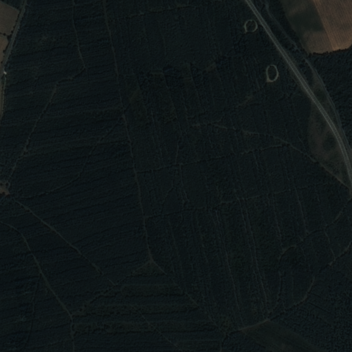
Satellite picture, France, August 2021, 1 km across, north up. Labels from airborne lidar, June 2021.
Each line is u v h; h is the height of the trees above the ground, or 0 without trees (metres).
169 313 8
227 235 13
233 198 11
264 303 9
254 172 12
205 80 13
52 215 8
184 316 9
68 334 12
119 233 12
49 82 12
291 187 12
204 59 8
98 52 11
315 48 0
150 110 8
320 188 12
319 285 11
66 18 6
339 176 0
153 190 9
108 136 9
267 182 14
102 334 7
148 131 8
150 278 9
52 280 12
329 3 0
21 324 11
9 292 15
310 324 11
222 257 10
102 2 7
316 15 0
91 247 14
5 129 6
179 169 11
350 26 0
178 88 12
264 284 12
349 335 16
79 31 8
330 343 10
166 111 8
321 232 7
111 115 8
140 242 7
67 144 7
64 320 7
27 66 12
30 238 10
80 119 8
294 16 0
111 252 8
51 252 14
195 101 6
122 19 10
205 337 10
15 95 11
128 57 12
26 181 9
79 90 6
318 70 13
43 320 8
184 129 11
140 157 6
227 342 14
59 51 11
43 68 7
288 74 15
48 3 15
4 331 7
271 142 10
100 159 10
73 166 13
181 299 10
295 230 12
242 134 11
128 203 14
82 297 13
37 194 6
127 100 10
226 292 11
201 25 6
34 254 13
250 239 10
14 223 8
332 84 14
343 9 0
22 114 11
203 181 8
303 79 0
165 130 6
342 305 16
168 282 13
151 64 6
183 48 7
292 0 0
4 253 10
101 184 15
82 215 9
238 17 12
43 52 10
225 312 6
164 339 9
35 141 10
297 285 8
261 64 8
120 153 13
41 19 12
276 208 9
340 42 0
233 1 11
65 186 7
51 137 12
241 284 8
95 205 12
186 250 8
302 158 8
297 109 7
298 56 16
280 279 6
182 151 8
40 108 10
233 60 6
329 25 0
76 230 8
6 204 10
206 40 9
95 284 7
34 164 7
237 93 11
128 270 6
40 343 14
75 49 11
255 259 11
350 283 15
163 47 11
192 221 14
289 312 12
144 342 10
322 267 9
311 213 7
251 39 10
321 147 0
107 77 13
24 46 7
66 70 6
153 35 10
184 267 7
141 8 10
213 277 8
